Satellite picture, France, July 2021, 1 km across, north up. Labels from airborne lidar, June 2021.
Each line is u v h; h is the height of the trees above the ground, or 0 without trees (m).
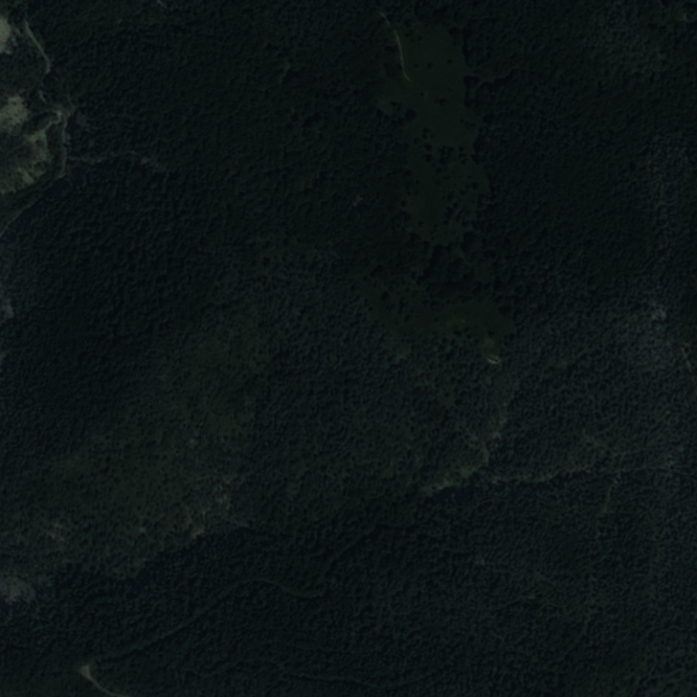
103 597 23
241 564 15
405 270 21
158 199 19
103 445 8
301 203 24
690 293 12
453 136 0
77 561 11
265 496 19
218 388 6
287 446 14
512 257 19
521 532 14
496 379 11
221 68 22
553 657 12
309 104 25
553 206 22
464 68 0
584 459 11
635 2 17
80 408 15
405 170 22
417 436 11
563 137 27
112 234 12
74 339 18
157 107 15
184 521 8
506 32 26
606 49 13
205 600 16
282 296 11
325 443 14
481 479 12
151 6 15
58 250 19
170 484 9
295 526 15
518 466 18
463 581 17
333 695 19
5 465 11
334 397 14
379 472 14
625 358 9
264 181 21
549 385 18
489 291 7
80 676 7
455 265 20
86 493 7
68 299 23
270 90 22
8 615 16
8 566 17
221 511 10
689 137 19
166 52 22
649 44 16
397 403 15
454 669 10
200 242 17
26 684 18
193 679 17
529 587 10
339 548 17
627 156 18
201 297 10
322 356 18
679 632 11
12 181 8
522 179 25
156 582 22
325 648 13
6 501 12
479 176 0
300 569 21
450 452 19
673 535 6
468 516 13
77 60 16
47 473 11
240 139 18
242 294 12
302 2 21
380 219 25
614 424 11
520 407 13
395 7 13
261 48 22
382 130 23
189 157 12
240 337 11
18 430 14
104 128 10
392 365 13
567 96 22
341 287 7
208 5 19
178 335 7
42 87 12
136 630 20
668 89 20
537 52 19
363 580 17
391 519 13
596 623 9
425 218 0
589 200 22
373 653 8
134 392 9
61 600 9
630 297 7
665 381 9
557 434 15
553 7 23
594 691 13
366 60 24
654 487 9
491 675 21
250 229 11
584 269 18
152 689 12
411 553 26
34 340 16
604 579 14
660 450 7
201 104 18
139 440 7
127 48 22
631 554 15
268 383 8
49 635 15
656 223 9
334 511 12
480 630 8
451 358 19
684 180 16
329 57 22
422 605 13
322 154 23
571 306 13
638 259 17
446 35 0
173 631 9
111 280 17
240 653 14
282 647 14
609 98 28
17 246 13
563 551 11
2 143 14
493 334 8
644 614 7
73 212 18
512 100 22
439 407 17
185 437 9
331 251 15
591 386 10
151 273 22
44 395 17
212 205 20
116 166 13
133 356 18
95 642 22
